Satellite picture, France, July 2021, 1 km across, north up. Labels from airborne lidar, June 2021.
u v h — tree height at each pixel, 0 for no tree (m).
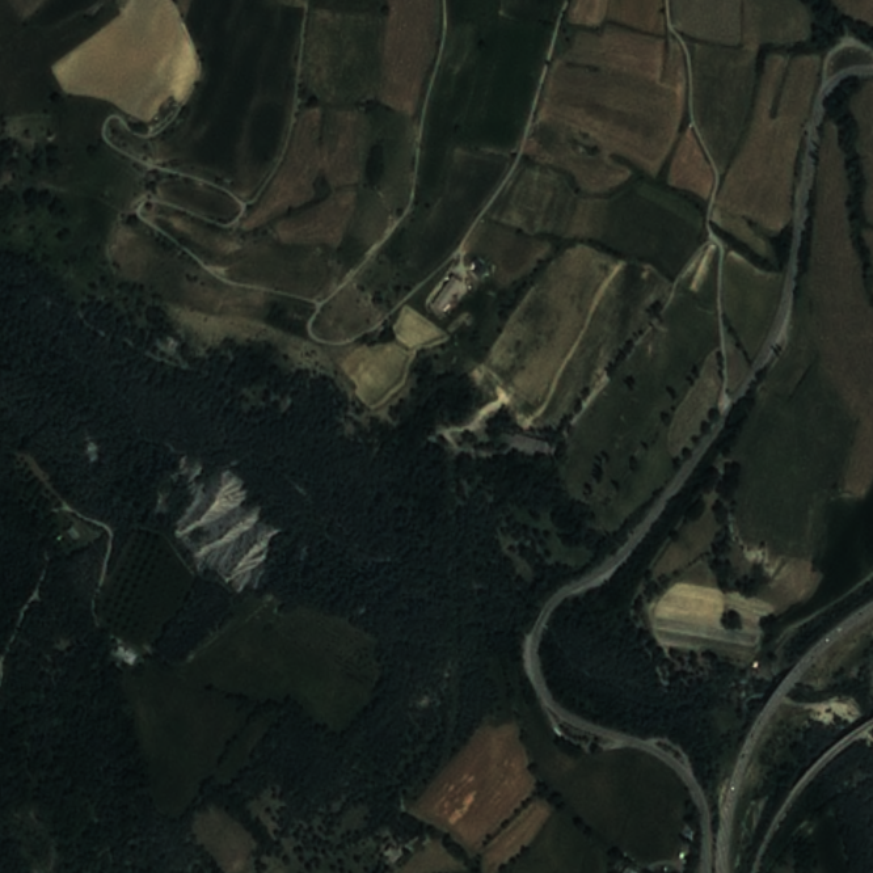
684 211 0
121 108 0
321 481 14
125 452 11
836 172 0
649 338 0
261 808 0
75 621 11
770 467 0
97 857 10
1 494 13
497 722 0
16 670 10
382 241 0
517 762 0
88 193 0
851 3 0
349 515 17
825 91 0
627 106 0
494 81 0
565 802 11
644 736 10
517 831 0
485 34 0
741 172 0
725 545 12
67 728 13
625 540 8
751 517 0
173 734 0
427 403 11
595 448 0
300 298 0
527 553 19
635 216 0
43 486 8
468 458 18
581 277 0
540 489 22
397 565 14
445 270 0
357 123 0
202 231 0
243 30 0
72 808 8
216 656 0
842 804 11
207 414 10
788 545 0
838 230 0
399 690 15
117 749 16
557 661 13
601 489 0
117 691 14
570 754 13
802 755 12
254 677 0
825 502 0
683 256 0
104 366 11
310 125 0
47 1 0
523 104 0
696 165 0
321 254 0
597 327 0
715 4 0
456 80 0
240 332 0
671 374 0
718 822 9
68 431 14
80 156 0
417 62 0
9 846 14
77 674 15
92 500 11
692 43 0
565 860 0
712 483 15
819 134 6
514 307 5
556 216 0
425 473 17
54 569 12
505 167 0
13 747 9
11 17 0
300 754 12
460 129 6
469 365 0
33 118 0
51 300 10
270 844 10
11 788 19
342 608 10
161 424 10
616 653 6
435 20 0
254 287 0
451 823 0
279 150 0
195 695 0
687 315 0
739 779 0
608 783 0
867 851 9
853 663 0
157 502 8
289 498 12
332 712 0
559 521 15
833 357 0
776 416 0
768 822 8
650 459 0
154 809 8
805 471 0
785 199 0
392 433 11
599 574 0
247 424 11
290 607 10
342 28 0
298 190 0
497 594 7
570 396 0
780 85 0
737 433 18
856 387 0
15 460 18
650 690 13
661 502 0
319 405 12
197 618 8
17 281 8
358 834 10
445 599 11
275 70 0
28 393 10
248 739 0
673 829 0
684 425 0
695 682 9
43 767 13
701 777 7
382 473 20
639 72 0
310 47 0
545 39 0
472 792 0
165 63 0
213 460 8
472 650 10
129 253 0
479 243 0
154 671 0
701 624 0
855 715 0
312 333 0
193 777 0
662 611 0
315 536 15
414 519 20
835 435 0
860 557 0
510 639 14
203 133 0
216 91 0
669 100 0
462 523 15
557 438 13
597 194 0
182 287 0
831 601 0
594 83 0
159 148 0
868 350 0
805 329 0
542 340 0
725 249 0
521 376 0
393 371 0
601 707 11
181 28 0
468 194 0
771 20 0
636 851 0
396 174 0
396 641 15
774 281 0
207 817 0
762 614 0
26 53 0
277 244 0
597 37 0
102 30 0
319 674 0
